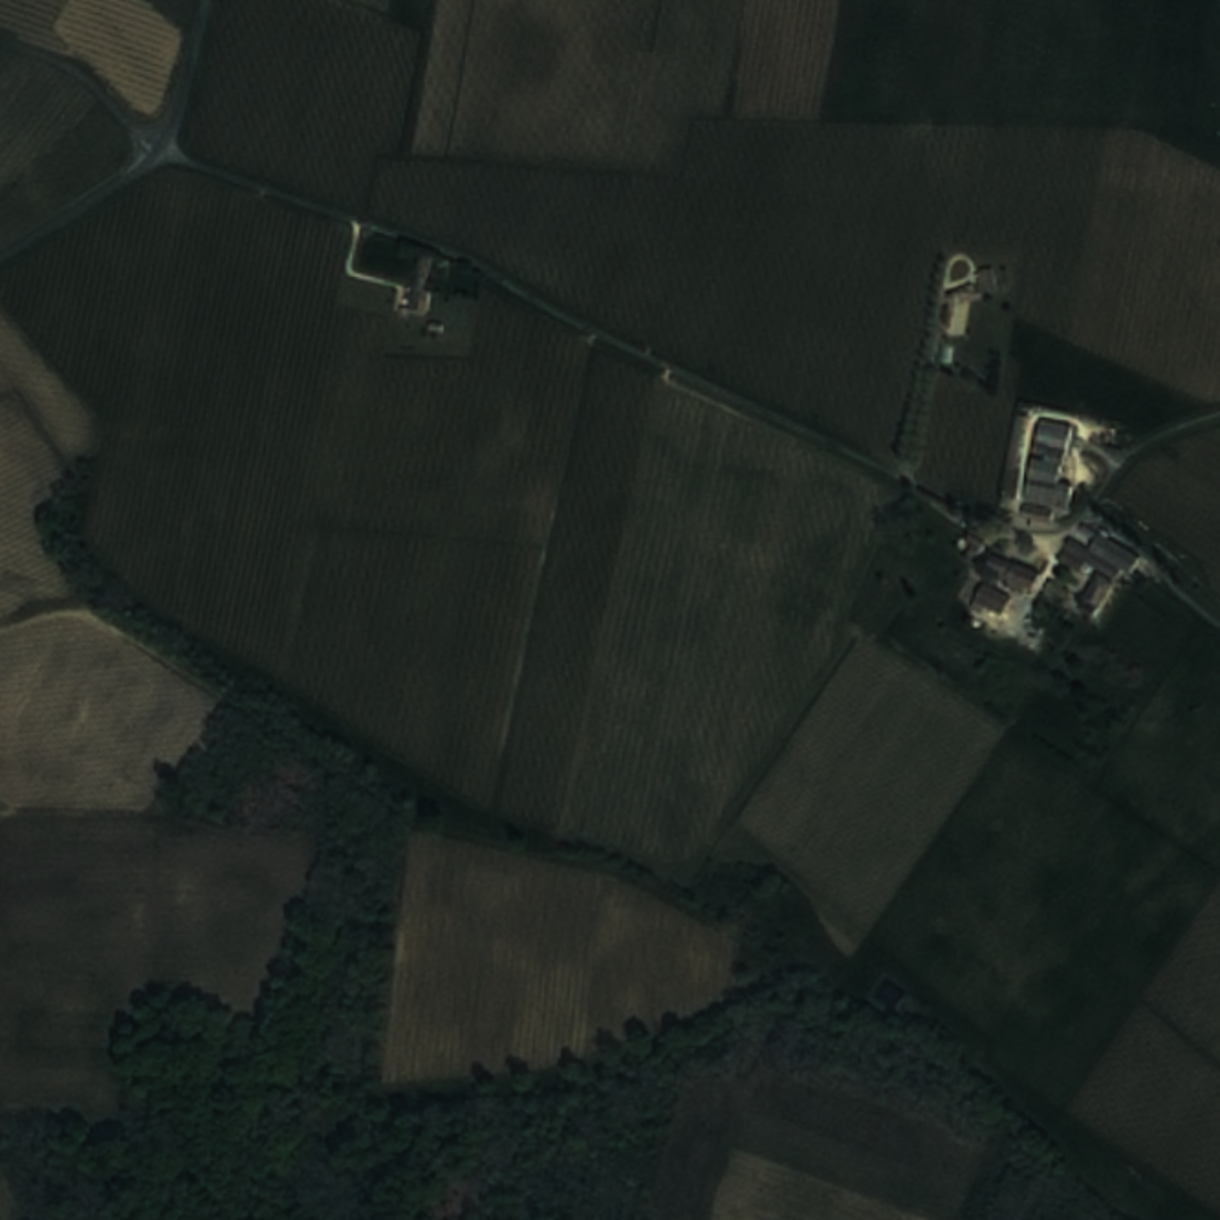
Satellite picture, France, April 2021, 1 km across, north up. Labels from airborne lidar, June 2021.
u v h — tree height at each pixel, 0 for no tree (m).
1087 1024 0
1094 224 0
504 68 0
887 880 0
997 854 0
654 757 0
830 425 0
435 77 0
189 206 0
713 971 0
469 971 0
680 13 0
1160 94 0
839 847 0
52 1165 19
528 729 0
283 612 0
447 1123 21
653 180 0
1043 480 0
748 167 0
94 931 0
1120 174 0
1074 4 0
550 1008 0
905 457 17
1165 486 0
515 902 0
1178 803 0
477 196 0
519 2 0
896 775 0
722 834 0
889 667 0
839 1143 0
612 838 0
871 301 0
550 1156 15
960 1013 0
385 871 16
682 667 0
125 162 0
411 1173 25
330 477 0
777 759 0
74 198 0
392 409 0
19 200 0
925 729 0
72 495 11
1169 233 0
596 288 0
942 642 0
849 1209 0
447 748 0
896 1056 20
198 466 0
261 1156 17
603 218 0
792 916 0
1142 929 0
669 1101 12
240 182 0
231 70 0
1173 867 0
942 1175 0
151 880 0
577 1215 13
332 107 0
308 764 12
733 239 0
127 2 0
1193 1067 0
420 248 7
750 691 0
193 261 0
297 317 0
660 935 0
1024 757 0
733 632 0
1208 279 0
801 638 0
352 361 0
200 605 0
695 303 0
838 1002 12
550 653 0
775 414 0
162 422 0
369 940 21
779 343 0
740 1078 5
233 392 0
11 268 0
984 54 0
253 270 0
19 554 0
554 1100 16
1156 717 0
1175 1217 0
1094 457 0
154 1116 13
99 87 0
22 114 0
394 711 0
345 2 0
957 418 0
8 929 0
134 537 0
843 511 0
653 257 0
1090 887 0
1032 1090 0
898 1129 0
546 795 0
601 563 0
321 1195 26
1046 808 0
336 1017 14
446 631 0
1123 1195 0
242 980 0
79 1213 19
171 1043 24
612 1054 24
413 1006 0
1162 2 0
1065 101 0
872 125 0
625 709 0
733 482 0
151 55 0
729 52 0
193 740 0
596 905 0
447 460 0
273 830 6
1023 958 0
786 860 0
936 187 0
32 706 0
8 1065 0
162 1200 21
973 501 0
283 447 0
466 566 0
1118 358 0
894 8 0
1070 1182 14
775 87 0
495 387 0
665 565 0
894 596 0
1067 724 0
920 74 0
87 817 0
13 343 0
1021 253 0
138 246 0
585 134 0
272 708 11
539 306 0
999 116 0
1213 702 0
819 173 0
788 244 0
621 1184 12
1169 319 0
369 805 14
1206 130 0
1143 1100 0
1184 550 0
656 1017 0
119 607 16
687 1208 0
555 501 0
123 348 0
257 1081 19
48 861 0
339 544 0
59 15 0
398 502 0
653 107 0
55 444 0
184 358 0
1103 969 0
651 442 0
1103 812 0
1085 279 0
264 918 0
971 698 0
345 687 0
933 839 0
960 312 0
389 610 0
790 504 0
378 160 0
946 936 0
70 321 0
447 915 0
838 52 0
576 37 0
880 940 0
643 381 0
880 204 0
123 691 0
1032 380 0
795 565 0
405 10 0
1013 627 0
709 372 0
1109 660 12
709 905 8
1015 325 0
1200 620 0
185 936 0
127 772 0
